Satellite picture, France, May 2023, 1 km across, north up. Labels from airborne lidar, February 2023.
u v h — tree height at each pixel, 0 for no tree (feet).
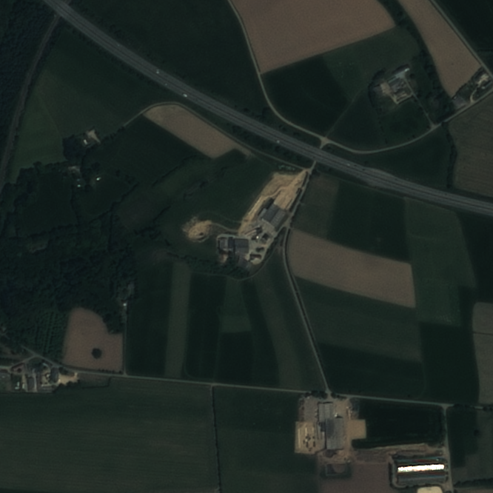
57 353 20
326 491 0
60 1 0
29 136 0
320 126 0
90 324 0
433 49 0
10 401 0
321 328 0
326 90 0
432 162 0
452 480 0
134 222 0
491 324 0
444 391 0
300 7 0
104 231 60
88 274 64
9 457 0
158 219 20
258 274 0
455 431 0
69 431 0
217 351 0
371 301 0
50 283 30
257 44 0
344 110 0
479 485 29
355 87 0
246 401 0
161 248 0
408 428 0
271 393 0
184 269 0
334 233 0
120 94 0
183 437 0
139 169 0
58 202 0
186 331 0
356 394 0
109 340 0
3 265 64
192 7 0
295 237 0
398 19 24
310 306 0
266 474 0
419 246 0
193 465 0
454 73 0
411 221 0
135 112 0
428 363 0
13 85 79
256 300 0
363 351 0
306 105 0
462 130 0
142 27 0
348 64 0
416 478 0
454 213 0
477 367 0
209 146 0
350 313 0
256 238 0
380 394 0
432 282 0
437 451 0
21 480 0
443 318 0
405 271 0
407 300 0
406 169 0
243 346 0
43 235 42
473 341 0
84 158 39
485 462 0
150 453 0
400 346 0
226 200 0
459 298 0
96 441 0
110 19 0
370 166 0
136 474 0
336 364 0
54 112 0
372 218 0
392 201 0
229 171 0
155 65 0
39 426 0
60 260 40
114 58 18
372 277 0
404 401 0
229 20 0
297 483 0
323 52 0
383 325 0
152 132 0
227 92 0
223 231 0
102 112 0
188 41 0
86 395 0
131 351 0
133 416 0
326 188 0
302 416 0
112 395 0
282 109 0
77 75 0
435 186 0
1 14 73
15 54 39
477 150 0
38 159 0
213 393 27
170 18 0
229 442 0
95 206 0
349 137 0
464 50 0
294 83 0
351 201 0
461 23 0
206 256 0
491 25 0
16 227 42
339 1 0
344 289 0
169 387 0
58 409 0
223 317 0
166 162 0
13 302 38
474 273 0
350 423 0
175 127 0
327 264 0
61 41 0
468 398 0
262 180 0
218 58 0
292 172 0
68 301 69
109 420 0
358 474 0
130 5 0
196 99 0
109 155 0
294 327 0
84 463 0
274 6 0
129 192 22
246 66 0
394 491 0
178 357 0
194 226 0
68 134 0
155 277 0
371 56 0
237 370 0
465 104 0
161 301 0
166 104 0
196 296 0
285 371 0
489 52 31
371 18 0
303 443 0
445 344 0
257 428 0
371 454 0
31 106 0
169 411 0
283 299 0
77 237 59
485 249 0
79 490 0
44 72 0
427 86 0
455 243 0
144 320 0
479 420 0
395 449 0
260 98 0
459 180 0
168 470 0
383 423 0
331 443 0
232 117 0
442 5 0
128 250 21
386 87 0
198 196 0
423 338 0
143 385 0
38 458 0
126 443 0
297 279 0
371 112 0
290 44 0
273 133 0
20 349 36
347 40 0
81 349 0
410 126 0
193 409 0
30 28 48
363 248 0
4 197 67
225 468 0
